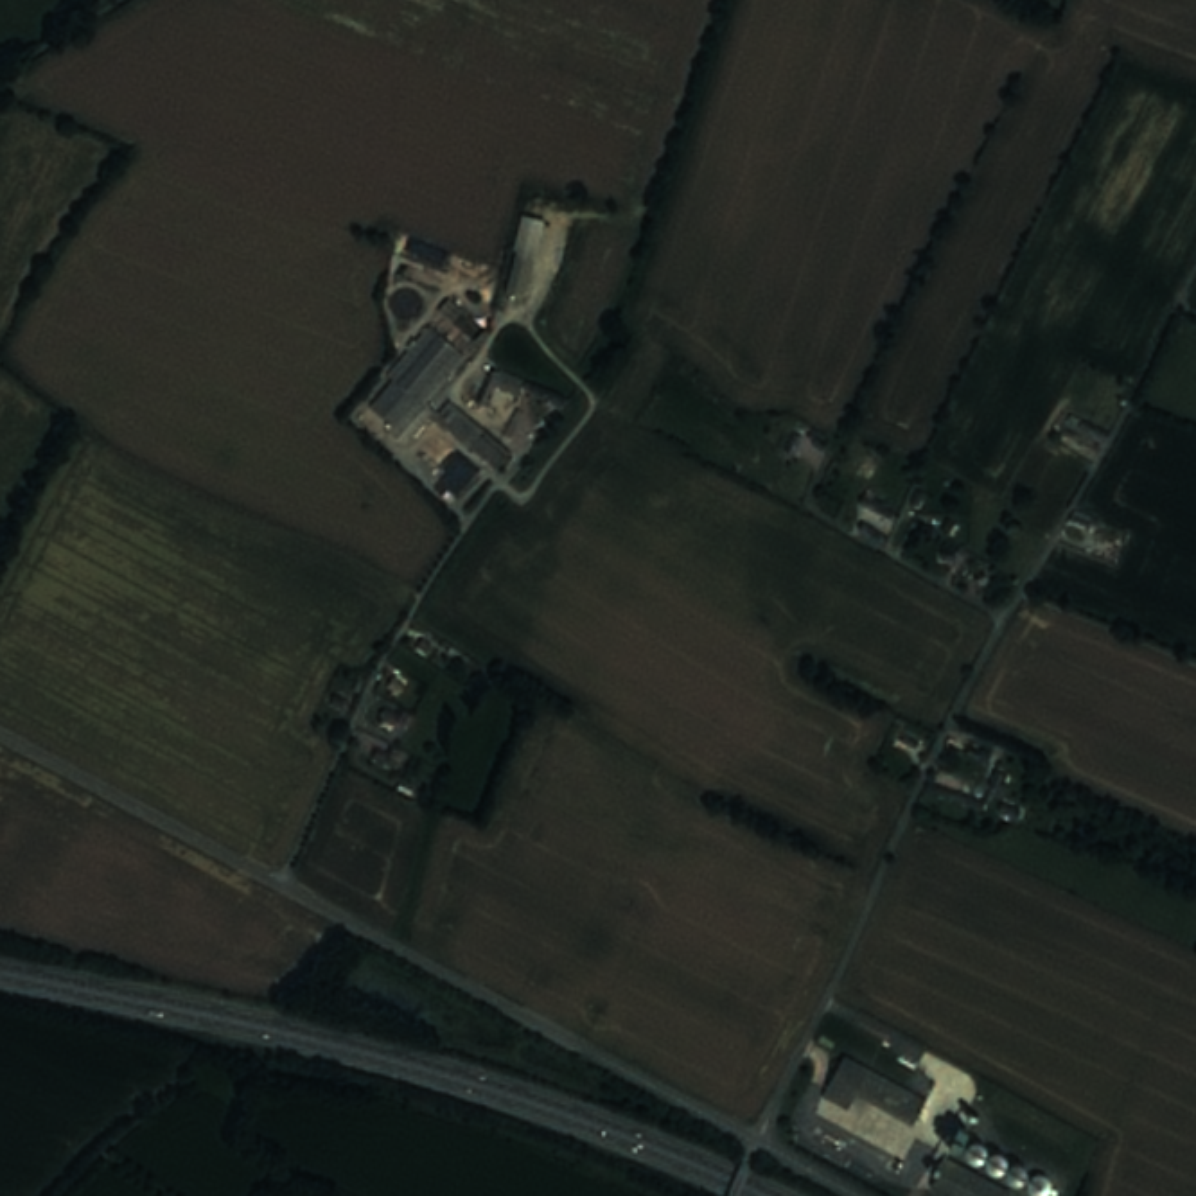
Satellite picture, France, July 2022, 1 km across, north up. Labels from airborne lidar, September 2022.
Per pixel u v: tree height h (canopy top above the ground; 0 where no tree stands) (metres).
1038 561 0
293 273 0
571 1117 0
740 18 0
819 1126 0
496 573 0
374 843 0
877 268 0
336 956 23
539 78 0
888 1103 0
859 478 0
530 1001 0
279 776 0
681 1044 0
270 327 0
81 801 0
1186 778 0
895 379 0
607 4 0
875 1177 0
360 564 0
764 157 0
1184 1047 0
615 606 0
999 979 0
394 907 0
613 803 0
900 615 0
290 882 0
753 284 0
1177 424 9
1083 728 0
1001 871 0
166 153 0
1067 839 12
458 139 0
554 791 0
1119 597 0
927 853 0
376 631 0
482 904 0
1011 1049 0
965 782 0
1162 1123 0
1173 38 0
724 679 0
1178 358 0
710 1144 11
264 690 0
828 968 0
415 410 0
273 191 0
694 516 0
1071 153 6
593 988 0
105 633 0
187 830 0
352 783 0
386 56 0
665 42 0
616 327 20
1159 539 0
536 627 0
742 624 0
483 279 0
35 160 0
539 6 0
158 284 0
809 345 0
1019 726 0
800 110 0
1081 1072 0
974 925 0
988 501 0
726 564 0
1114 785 0
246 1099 26
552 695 13
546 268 0
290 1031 0
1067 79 0
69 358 0
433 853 0
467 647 0
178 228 0
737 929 0
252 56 0
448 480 0
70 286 0
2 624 0
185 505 0
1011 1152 0
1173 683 0
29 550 0
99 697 0
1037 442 0
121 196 0
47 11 0
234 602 0
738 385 0
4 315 0
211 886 0
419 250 0
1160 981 0
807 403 0
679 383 0
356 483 0
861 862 0
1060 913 0
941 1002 0
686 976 0
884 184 0
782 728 0
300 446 0
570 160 0
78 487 0
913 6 0
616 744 0
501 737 0
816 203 0
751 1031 0
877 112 0
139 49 0
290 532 0
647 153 0
